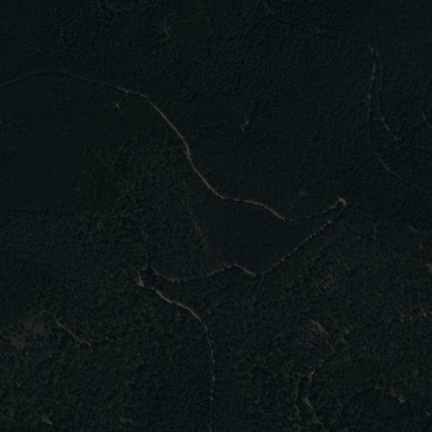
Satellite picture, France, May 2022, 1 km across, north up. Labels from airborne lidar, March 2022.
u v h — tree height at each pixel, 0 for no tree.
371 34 19
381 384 18
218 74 22
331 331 30
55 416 30
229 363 20
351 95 13
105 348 25
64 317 7
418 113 24
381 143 25
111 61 16
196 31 16
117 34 16
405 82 21
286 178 13
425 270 25
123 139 15
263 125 18
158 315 33
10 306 21
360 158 26
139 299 34
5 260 18
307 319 32
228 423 25
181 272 23
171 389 32
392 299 29
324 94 16
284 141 19
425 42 20
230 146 15
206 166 10
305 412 21
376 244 27
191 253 26
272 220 13
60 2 20
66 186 19
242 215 13
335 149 26
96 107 20
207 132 20
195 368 32
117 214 17
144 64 14
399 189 19
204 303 10
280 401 35
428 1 25
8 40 14
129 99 15
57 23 22
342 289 27
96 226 27
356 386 16
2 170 16
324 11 29
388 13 20
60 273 15
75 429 37
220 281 19
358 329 21
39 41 18
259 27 30
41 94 19
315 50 18
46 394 18
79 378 33
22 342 0
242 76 23
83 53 21
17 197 21
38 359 30
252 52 22
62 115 17
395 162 31
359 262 27
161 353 33
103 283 23
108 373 28
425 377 29
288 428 30
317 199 14
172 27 14
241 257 12
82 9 21
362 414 23
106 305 20
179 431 30
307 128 21
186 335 32
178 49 19
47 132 17
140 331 29
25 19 11
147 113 14
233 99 24
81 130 15
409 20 23
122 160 27
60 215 16
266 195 11
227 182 11
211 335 8
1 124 22
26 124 21
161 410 38
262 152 16
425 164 26
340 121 13
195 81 19
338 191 22
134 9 12
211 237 6
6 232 15
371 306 25
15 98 18
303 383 25
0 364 30
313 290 30
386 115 14
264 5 14
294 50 21
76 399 32
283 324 30
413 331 25
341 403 11
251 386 31
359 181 22
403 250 21
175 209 22
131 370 7
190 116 17
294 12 30
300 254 11
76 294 22
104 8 33
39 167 19
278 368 12
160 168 19
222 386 24
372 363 14
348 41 22
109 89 18
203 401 9
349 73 12
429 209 26
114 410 21
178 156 12
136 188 29
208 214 8
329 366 36
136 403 37
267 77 20
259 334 26
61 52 21
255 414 11
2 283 12
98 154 17
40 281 18
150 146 14
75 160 19
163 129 13
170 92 17
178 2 12
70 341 30
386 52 21
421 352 24
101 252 25
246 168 11
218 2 13
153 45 12
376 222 14
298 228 16
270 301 8
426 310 29
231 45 25
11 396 29
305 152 22
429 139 23
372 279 32
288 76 20
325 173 20
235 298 20
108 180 11
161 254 27
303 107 21
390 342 29
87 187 15
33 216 22
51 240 19
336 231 28
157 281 33
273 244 19
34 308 8
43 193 22
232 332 25
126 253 35
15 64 12
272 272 11
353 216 14
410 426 21
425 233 18
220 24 19
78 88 17
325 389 17
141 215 24
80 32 17
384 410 11
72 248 22
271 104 18
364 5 22
